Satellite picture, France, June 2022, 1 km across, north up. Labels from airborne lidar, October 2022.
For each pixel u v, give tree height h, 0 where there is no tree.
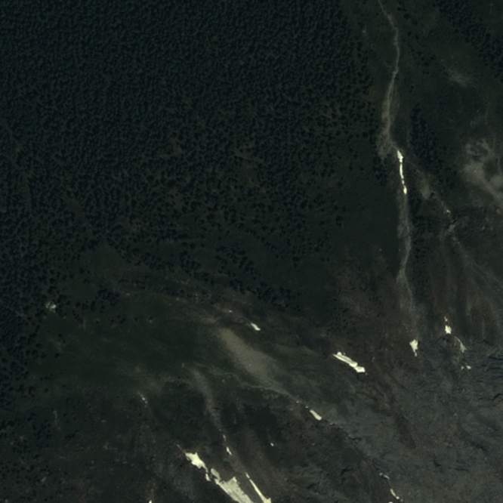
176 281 0
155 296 0
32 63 22
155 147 9
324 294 0
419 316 0
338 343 0
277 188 17
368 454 0
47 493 0
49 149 24
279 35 22
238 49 23
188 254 14
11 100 21
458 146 0
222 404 0
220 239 8
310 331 0
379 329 0
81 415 0
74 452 0
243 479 0
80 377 0
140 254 17
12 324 14
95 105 21
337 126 16
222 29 23
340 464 0
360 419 0
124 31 27
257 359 0
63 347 0
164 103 18
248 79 14
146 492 0
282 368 0
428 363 0
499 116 0
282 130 13
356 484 0
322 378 0
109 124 22
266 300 14
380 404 0
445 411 0
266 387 0
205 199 11
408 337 0
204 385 0
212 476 0
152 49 21
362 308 0
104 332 0
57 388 0
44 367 0
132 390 0
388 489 0
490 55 12
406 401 0
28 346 11
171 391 0
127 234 20
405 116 0
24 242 20
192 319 0
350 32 20
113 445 0
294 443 0
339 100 15
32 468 9
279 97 24
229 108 12
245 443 0
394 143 0
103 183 14
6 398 13
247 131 6
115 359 0
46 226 8
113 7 24
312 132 15
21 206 19
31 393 9
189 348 0
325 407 0
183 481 0
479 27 14
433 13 0
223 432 0
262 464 0
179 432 0
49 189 22
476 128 0
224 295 0
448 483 0
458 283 0
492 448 0
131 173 18
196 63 22
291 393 0
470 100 0
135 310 0
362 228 0
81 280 0
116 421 0
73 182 6
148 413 0
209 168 8
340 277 0
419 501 0
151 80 25
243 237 0
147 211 20
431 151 18
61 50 27
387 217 0
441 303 0
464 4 22
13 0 19
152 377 0
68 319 0
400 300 0
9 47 25
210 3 24
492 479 0
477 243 0
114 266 0
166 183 17
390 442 0
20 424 9
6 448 0
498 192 0
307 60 21
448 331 0
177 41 23
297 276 0
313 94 27
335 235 0
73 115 24
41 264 10
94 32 19
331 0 8
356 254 0
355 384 0
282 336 0
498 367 0
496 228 0
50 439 7
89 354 0
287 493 0
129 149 16
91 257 0
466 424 0
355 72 22
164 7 21
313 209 15
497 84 0
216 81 18
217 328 0
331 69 26
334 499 0
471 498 0
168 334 0
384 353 0
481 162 0
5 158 20
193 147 17
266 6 26
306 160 8
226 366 0
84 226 16
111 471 0
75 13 21
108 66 23
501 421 0
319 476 0
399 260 0
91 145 18
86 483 0
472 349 0
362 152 0
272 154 12
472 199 0
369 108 10
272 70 19
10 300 10
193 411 0
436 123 0
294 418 0
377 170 18
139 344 0
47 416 0
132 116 25
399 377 0
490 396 0
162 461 0
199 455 0
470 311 0
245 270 9
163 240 15
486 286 0
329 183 0
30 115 28
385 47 0
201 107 18
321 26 12
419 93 0
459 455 0
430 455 0
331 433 0
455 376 0
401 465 0
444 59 0
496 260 0
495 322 0
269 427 0
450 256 0
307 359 0
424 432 0
